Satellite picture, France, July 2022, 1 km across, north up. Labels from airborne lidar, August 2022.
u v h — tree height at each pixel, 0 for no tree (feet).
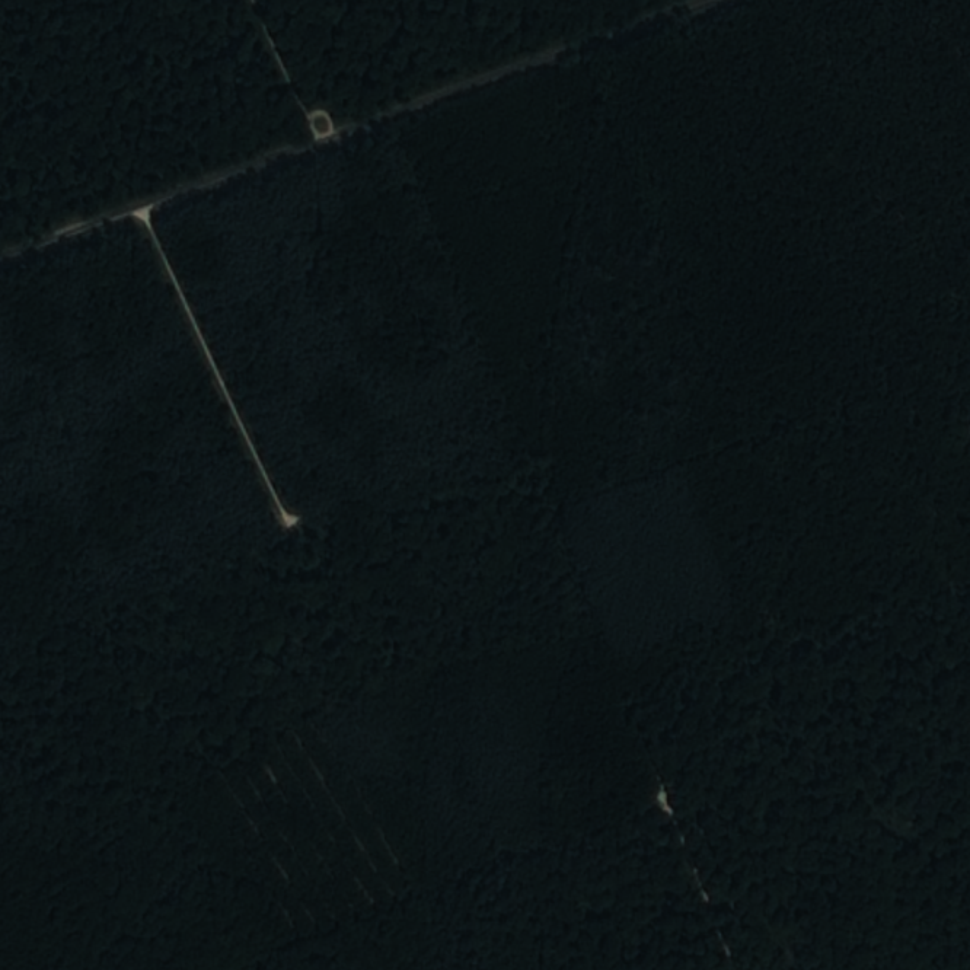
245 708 60
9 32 84
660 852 91
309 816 57
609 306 32
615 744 60
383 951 88
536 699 44
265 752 53
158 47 89
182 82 93
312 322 59
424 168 37
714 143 59
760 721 45
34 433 65
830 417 53
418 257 69
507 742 51
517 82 35
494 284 34
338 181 68
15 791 78
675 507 48
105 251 68
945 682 76
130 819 84
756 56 66
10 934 69
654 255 39
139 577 65
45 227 68
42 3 85
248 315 57
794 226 48
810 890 60
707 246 77
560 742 64
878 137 59
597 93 20
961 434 47
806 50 57
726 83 55
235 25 76
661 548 50
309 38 89
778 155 63
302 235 68
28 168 87
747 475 36
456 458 59
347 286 64
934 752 80
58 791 94
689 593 51
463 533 74
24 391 58
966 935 60
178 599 76
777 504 36
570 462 33
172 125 75
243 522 68
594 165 29
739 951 73
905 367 69
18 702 85
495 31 86
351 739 47
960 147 43
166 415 56
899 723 80
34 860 69
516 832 43
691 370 63
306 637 85
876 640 84
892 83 62
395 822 48
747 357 77
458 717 51
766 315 70
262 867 52
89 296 73
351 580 83
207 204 66
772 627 55
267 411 60
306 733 53
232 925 74
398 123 32
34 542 64
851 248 46
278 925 59
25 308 74
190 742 73
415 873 50
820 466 47
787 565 33
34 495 59
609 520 48
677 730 75
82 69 90
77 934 78
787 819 91
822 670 78
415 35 92
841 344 63
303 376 61
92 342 65
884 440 61
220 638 85
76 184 76
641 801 72
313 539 89
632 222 31
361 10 92
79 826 74
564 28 72
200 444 57
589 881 90
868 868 75
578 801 62
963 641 75
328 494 71
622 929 75
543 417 43
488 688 49
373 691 46
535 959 81
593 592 50
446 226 28
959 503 39
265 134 79
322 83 45
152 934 69
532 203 35
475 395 58
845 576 48
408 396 68
